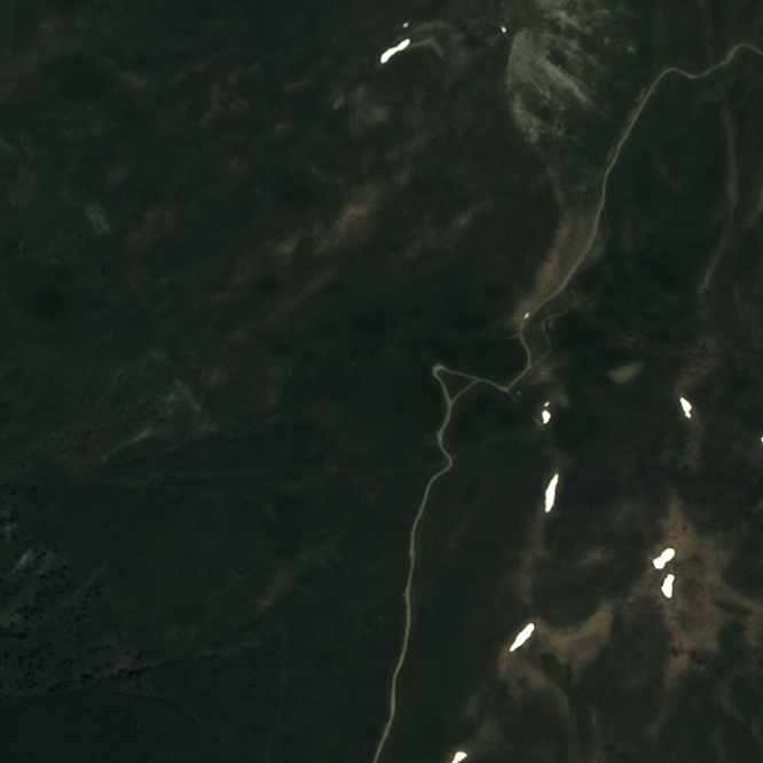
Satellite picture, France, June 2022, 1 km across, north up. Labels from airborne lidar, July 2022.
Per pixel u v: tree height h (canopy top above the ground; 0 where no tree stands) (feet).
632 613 0
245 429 0
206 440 0
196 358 0
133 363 0
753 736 0
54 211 0
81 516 0
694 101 0
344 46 0
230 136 0
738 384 0
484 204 0
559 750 0
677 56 0
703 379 0
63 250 0
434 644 0
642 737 0
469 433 0
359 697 0
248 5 0
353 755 0
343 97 0
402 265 0
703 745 0
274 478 0
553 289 0
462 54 0
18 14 0
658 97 0
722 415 0
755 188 0
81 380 0
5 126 0
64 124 0
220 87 0
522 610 0
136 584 0
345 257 0
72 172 0
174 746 0
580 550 0
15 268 0
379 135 0
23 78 0
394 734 0
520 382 0
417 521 0
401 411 0
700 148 0
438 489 0
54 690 21
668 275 0
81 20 0
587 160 0
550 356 0
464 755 0
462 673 0
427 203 0
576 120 0
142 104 0
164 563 0
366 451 0
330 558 0
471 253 0
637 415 0
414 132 0
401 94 0
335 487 0
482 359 0
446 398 0
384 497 0
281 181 0
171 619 0
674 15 0
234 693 0
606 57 0
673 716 0
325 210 0
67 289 0
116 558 0
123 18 0
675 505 0
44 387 0
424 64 0
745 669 0
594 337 0
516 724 0
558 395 0
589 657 0
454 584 0
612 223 0
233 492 0
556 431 0
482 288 0
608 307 0
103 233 0
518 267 0
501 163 0
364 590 0
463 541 0
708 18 0
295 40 0
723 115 0
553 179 0
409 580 0
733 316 0
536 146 0
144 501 0
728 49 0
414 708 0
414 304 0
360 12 0
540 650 0
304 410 0
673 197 0
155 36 0
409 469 0
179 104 0
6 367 0
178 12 0
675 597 0
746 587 0
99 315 0
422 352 0
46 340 0
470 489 0
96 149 0
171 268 0
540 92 0
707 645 0
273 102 0
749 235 0
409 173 0
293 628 0
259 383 0
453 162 0
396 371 0
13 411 0
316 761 0
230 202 0
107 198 0
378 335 0
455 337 0
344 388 0
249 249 0
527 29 0
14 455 0
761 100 0
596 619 0
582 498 0
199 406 0
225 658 0
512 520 0
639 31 0
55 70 0
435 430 0
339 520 0
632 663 0
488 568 0
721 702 0
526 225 0
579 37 0
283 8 0
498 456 0
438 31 0
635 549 0
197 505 0
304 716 0
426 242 0
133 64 0
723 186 0
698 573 0
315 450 0
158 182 0
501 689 0
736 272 0
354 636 0
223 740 0
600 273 0
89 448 0
